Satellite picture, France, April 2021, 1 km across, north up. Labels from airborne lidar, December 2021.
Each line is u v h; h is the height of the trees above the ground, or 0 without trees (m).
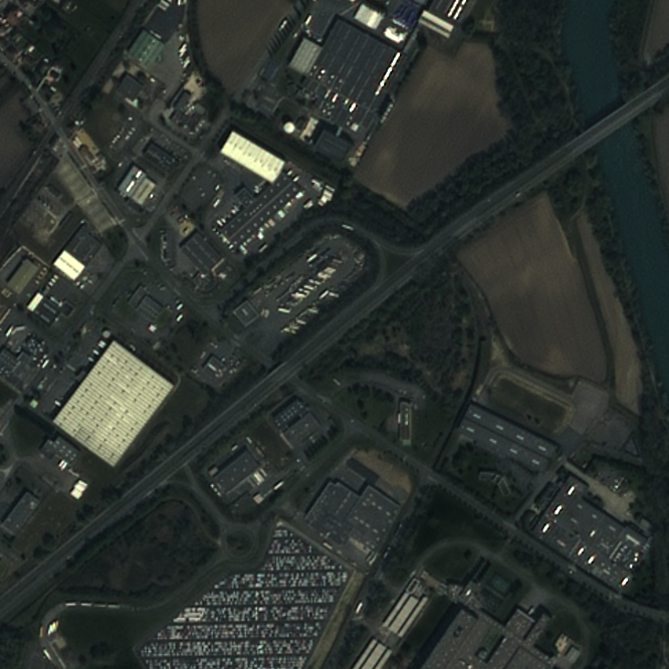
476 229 9
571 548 0
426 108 0
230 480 0
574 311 0
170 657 0
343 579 0
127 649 0
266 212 0
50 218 0
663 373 0
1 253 0
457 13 0
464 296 15
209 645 0
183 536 20
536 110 22
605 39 0
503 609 0
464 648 0
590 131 0
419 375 14
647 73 17
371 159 0
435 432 0
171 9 0
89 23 0
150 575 0
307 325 17
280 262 8
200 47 11
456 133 0
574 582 9
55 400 0
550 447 0
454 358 10
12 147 0
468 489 7
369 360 9
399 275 0
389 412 0
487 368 0
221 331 0
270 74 0
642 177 0
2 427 0
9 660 19
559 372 0
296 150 0
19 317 0
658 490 34
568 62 16
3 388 0
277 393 0
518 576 0
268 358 0
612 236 10
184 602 0
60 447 0
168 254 0
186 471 0
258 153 0
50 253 0
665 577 37
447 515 0
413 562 0
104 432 0
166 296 0
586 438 0
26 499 0
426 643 0
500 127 0
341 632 0
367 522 0
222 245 0
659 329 0
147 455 0
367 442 0
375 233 13
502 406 0
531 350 0
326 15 0
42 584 0
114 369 0
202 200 0
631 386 0
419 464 0
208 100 0
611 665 20
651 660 8
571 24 0
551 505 0
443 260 20
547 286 0
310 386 0
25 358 0
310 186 0
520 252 0
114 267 0
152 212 0
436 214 21
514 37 36
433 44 0
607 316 0
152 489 0
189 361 0
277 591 0
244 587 0
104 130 0
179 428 0
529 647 0
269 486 0
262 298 0
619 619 8
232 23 0
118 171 0
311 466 0
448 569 0
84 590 8
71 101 0
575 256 0
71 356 0
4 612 0
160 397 0
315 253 0
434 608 0
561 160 0
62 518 0
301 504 0
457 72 0
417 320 11
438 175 0
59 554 0
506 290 0
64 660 0
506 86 29
